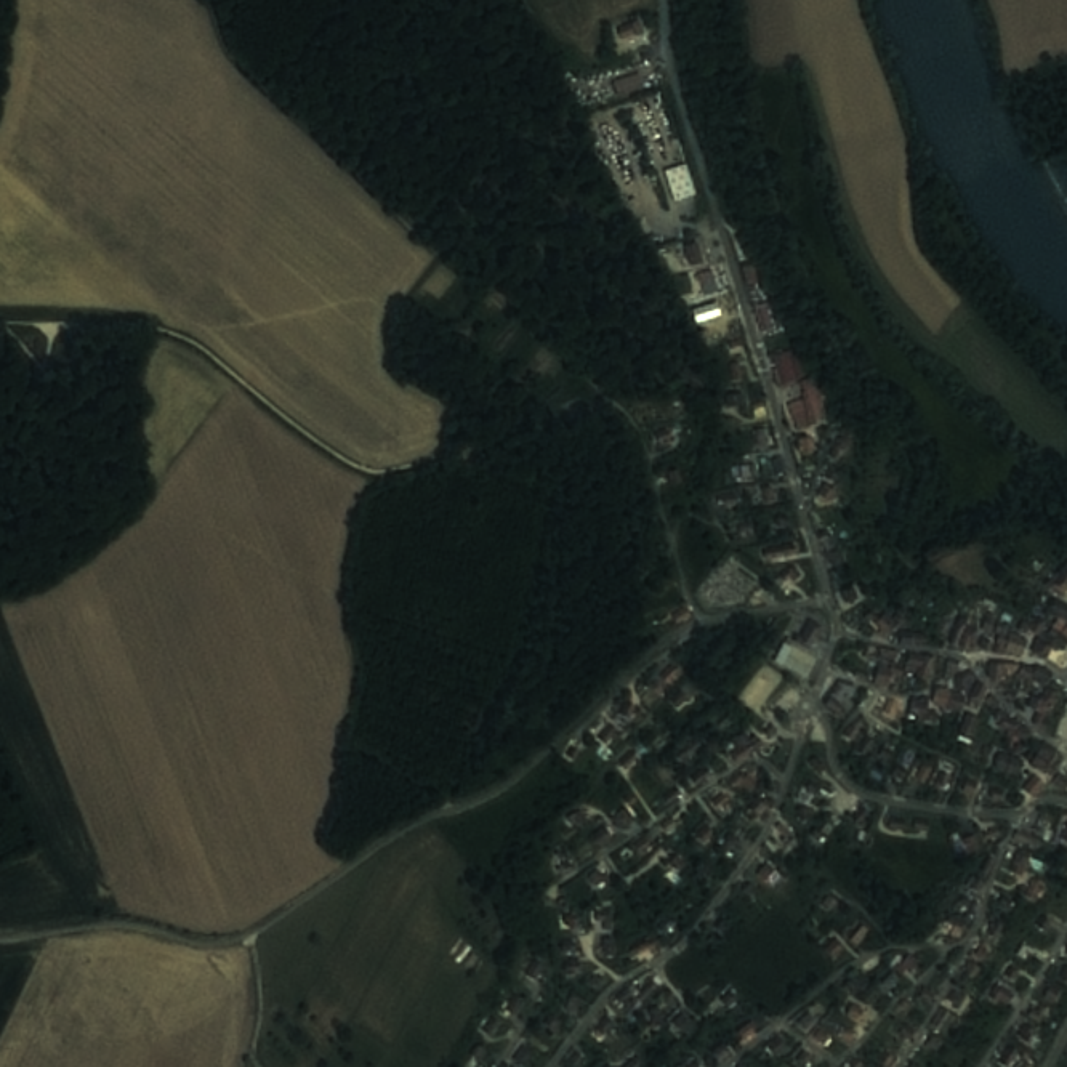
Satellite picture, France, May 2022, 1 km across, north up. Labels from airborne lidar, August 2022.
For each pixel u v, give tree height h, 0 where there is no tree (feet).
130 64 0
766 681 0
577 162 84
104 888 0
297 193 0
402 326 76
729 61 114
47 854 0
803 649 0
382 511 24
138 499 78
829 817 37
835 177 56
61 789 0
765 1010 31
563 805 39
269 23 63
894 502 76
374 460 0
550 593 104
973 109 0
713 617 0
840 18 0
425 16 90
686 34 54
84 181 0
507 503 29
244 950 0
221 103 0
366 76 84
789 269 78
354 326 0
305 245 0
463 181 89
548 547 40
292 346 0
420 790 42
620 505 89
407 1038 0
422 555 22
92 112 0
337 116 72
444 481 25
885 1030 0
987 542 38
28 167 0
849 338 87
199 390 0
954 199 32
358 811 56
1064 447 0
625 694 30
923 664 0
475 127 102
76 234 0
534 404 75
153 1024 0
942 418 0
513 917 85
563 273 89
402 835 0
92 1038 0
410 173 98
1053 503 113
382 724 25
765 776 20
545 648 83
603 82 0
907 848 0
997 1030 0
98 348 61
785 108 0
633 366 97
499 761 88
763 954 0
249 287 0
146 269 0
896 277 0
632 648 94
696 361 26
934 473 59
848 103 0
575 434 79
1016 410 0
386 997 0
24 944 0
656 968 0
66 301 0
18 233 0
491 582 24
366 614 22
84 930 0
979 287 78
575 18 0
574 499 83
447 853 0
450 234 92
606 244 92
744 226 55
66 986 0
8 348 97
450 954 0
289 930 0
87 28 0
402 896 0
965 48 0
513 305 87
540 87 98
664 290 81
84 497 99
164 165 0
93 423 96
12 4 60
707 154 51
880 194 0
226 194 0
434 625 21
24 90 0
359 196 0
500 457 88
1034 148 38
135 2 0
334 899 0
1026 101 44
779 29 0
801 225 0
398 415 0
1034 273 0
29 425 78
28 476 99
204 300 0
